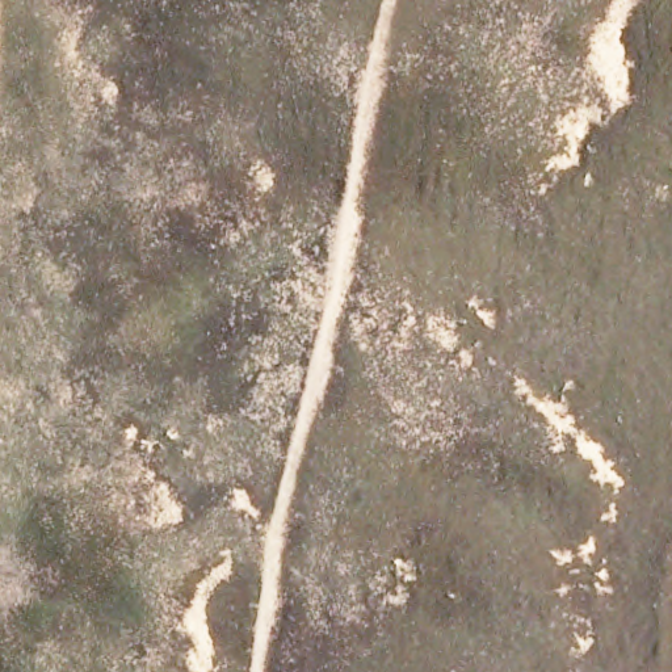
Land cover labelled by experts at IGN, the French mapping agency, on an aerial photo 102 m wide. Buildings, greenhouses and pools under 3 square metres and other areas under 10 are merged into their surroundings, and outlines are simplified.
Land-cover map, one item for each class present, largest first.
<instances>
[{"label":"herbaceous vegetation","instance_id":"1","mask_svg":"<svg viewBox=\"0 0 672 672\"><path fill-rule=\"evenodd\" d=\"M71 5H95V13L87 21L97 29L108 26L113 16H123L134 26V39L126 42L100 68V74L113 79V84L118 87L116 118L121 123L118 129H113L108 121H102L100 134L121 139L123 152H134L137 131L147 139H168V150L163 155H155V179L163 173H173L168 168V160H194V181L207 184V194L200 200V205L158 210L152 215V234L147 236H139V228H134V221L126 213L123 200L116 205H95L92 210H81L66 218L63 223L53 226V234H66V239H53L45 244L50 260L60 270H66L71 263L81 265V276L76 278V289L71 291V302L84 310L79 349L68 357L76 368L100 365L105 373L118 375L129 370L131 362H142L147 383L163 386V396L168 399H173L176 375L186 381L207 378L205 410L210 415L239 412L252 399L255 389L249 381L239 375V352L249 347L252 336H268L273 310L260 305L257 286L255 291H249V299H231L228 294H221L207 284V276L221 278V270H226V265L236 260V255L228 249L226 234L234 231L239 221L236 215H228V207L231 202H239L247 210L244 194L247 184L255 179L249 171L257 160H263L273 173V186L265 192L270 226H281V210L286 205H294L291 221L299 231L307 223L312 202L333 197L341 205L357 118L354 102L344 95H333L331 79H299L291 60V45L276 34V29H297V18L289 11L291 0H68ZM383 0H323L320 11L326 21L339 24V18H347L349 26L360 21L375 29ZM612 0H396L383 60L386 84L378 100L375 126L365 150L362 189L357 197L360 234L368 242H381L383 247H391V252L402 263L396 278H412V307H428L433 315L452 318L457 339H462L465 347L475 341L483 344L473 362L480 370V383L486 389L488 407L473 412V417L467 420L454 417V428L465 431L454 449H438L436 441H423L420 449L378 444L370 436V428L394 420V412L378 394V386L365 378V360L354 339L341 341L336 336L331 352L333 360L328 386L307 431L286 515V538L281 549L278 575V612L268 641L265 672H672V0H635L620 37L625 60H630L627 105H622L612 116L606 126H588L585 137L580 139L578 165L564 168L559 173L554 189H549L546 194H530L528 173L543 165L538 150L530 147L522 155H517L515 131L507 129L496 137H486L483 131V126L499 123L496 116H488L491 110H499V74L488 71V53L494 47L507 50L509 37L520 34L522 13H546L554 21L549 32H543L541 37L543 58H533V66H554L570 71L583 68L591 55V39L596 34V26L606 21ZM522 378L536 391V396L549 402H557L562 396L564 381H572L575 389L570 391L567 410L575 428L585 431L588 441L601 446L604 459H609L614 473L622 478L614 538L601 546L606 551L612 593L570 591L567 596H559V585H580L585 583V575H570L554 559V551H572L583 546L588 541V530L596 515L591 512L593 507L588 504V499L567 496L570 488L567 480L557 473V457L551 452L546 415L515 394V381ZM328 543H333L331 554L339 559L341 551L362 549L365 557L373 549H383L394 559L412 562L415 580L407 588V601L391 604L386 609V635H375V627L347 625L339 641H333L310 625L307 593L299 588L291 572L294 567H305L307 549H323ZM562 612H578L593 622V643L583 656L570 654L578 638L572 633V622L562 620ZM63 499L37 494L29 501L26 520L21 522L16 536L18 557L24 562H34V572L29 575L32 601L13 606L8 617H0V672H34V654L42 641L81 643V633H76V627H81L89 617L95 633L102 638H118L121 630L142 625L147 604L139 588L131 585V572L121 567L116 559V538H97L89 530H76L71 536L68 525L63 522Z\"/></svg>","mask_w":672,"mask_h":672},{"label":"bare soil","instance_id":"2","mask_svg":"<svg viewBox=\"0 0 672 672\"><path fill-rule=\"evenodd\" d=\"M95 13V5H71L68 0H0V381L21 378L24 389L34 391L32 412L16 407L13 420L0 423V617H8L13 606L32 601L29 575L34 572V562H24L18 557L16 536L21 522L26 520L29 501L37 494L63 499V522L68 525L71 536L76 530H89L97 538H116V559L121 567L131 572V585L139 588L147 604L142 625L121 630L118 638H102L95 633L89 617L81 627H76V633H81V643L42 641L34 654V672H249L255 622L263 593L265 533L276 509L291 433L297 428L299 404L307 389L312 349L320 333V320L328 297V234L336 226L341 205L333 197L312 202L307 223L299 231L291 221L294 205H286L281 210V226H270L265 192L273 186V173L263 160H257L249 171L255 179L247 184L244 194L247 210L239 202H231L228 207V215H236L239 221L234 231L226 234L228 249L236 255V260L226 265V270H221V278L207 276V284L221 294H228L231 299H249V291H255L257 286L260 305L273 310L268 336H252L249 347L239 352V375L249 381L255 389L252 399L239 412L210 415L205 410L207 378L186 381L176 375L173 399H168L163 396V386L147 383L142 362H131L129 370L118 375L105 373L100 365L76 368L68 357L79 349L84 310L71 302V291L76 289V278L81 276V265L71 263L66 270H60L50 260L45 244L53 239H66V234H53V226L63 223L66 218L81 210H92L95 205H116L123 200L126 213L134 221V228H139V236H147L152 234V215L158 210L200 205V200L207 194V184L194 181V160H168V168L173 173H163L155 179V155H163L168 150V139H147L137 131L134 152H123L121 139L100 134L102 121H108L113 129H118L121 123L116 118L118 87L113 84V79L100 74V68L126 42L134 39V26L123 16H113L108 26L97 29L87 21ZM323 0H291L289 11L297 18V29H276V34L291 45V60L299 79H331L333 95H344L354 102L375 29L360 21L349 26L347 18H339V24L326 21L320 11ZM635 0H612L606 21L596 26V34L591 39V55L583 68L570 71L554 66H533V58H543L541 37L543 32H549L554 21L546 13H522L520 34L509 37L507 50L494 47L488 53V71L499 74V110H491L488 116H496L499 123L483 126V131L486 137H496L507 129L515 131L517 155H522L530 147L538 150L543 165L528 173L530 194H546L549 189H554L559 173L564 168L578 165L580 139L585 137L588 126H606L612 116L622 105H627L630 60H625L620 37ZM402 263L391 252V247H383L381 242H368L360 234L352 263V284L344 294V307L336 320V336L341 341L354 339L365 360V378L378 386V394L394 412V420L370 428V436L378 444L420 449L423 441H436L438 449H454L465 431L454 428V417L467 420L473 417V412L488 407L486 389L480 383V370L473 362L483 344L475 341L465 347L462 339H457L452 318L433 315L428 307H412V278H396ZM575 389L572 381H564L562 396L557 402H549L536 396V391L522 378L515 381V394L546 415L551 452L557 457V473L567 480L570 488L567 496L588 499V504L593 507L591 512L596 515L588 530V541L583 546L572 551H554V559L570 575H585V583L580 585H559V596H567L570 591L612 593L606 551L601 546L614 538L622 478L614 473L609 459H604L601 446L588 441L585 431L575 428L567 410L570 391ZM333 543H328L323 549H307L305 567H294L291 572L299 588L307 593L310 625L333 641H339L347 625L375 627V635H386V609L391 604L407 601V588L415 580L412 562L394 559L383 549H373L365 557L362 549L341 551L339 559L331 554ZM562 620L572 622V633L578 638L570 654L583 656L593 643V622L578 612H562Z\"/></svg>","mask_w":672,"mask_h":672},{"label":"pervious surface","instance_id":"3","mask_svg":"<svg viewBox=\"0 0 672 672\"><path fill-rule=\"evenodd\" d=\"M396 0H383L375 29L354 102L357 118L341 205L336 226L328 234V297L320 320V333L312 349L307 389L299 404L297 428L291 433L276 509L265 533L263 593L255 622L249 672H265L268 641L278 612V575L281 549L286 538V515L307 431L328 386L333 360L331 352L336 336V320L344 307V294L352 284V263L360 234L357 197L362 189L365 150L375 126L378 100L386 84L383 60ZM16 407L32 412L34 391L24 389L21 378L0 381V423L13 420Z\"/></svg>","mask_w":672,"mask_h":672}]
</instances>
